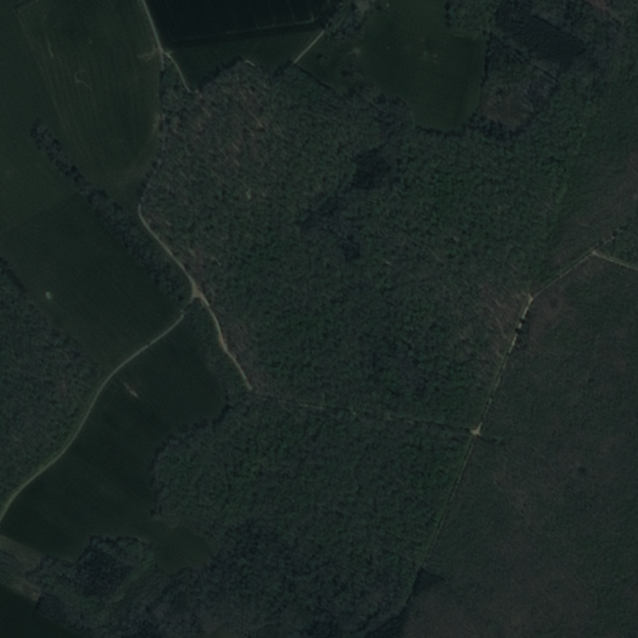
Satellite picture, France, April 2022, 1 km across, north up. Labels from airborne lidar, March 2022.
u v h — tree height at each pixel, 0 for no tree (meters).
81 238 0
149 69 0
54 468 0
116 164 0
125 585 20
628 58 26
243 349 22
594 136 12
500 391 14
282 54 0
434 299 23
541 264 19
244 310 27
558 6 17
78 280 0
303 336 25
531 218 18
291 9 0
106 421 0
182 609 20
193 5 0
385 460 25
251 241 26
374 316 26
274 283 28
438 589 15
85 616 22
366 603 29
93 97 0
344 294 25
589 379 14
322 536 23
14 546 0
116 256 0
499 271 25
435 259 25
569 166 22
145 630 24
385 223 26
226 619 24
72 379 27
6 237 0
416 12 0
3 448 26
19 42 0
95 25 0
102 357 0
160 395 0
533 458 12
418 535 26
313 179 26
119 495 0
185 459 25
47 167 0
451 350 26
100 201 27
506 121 0
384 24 0
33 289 0
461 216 25
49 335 24
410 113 15
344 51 0
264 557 23
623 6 23
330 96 26
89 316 0
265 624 24
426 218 19
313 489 25
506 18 24
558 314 25
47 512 0
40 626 0
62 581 17
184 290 24
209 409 0
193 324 11
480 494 14
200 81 0
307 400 22
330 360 28
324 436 23
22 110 0
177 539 0
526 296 21
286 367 24
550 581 18
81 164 0
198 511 26
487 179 22
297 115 24
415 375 29
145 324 0
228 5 0
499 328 23
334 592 26
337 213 25
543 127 26
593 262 14
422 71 0
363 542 24
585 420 14
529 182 23
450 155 25
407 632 16
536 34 21
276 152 27
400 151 21
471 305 23
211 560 0
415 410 27
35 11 0
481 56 0
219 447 24
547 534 14
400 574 23
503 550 15
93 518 0
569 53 20
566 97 26
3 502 21
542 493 16
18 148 0
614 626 15
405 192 21
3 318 22
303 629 22
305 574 25
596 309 12
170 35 0
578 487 15
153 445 0
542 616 17
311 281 26
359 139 25
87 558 9
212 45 0
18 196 0
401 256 21
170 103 22
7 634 0
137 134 0
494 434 13
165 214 28
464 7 23
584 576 14
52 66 0
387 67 0
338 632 24
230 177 27
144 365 0
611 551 12
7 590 0
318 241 25
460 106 0
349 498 24
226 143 27
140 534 0
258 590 24
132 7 0
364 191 13
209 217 27
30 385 26
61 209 0
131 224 18
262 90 26
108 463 0
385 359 24
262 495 23
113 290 0
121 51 0
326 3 0
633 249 23
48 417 25
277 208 27
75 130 0
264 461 26
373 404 26
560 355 14
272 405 26
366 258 25
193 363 0
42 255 0
